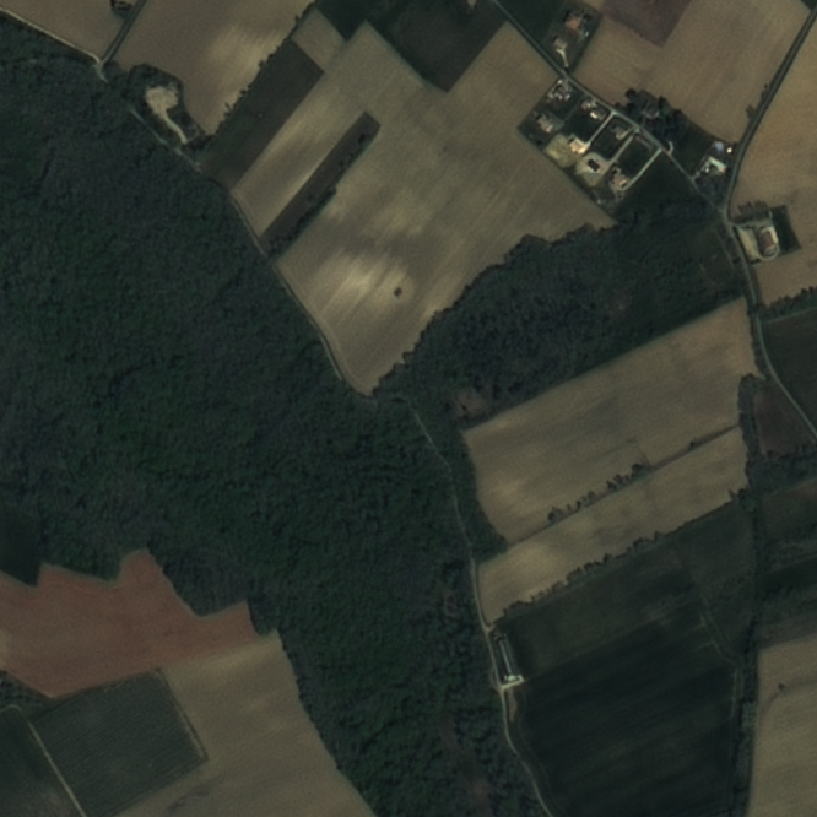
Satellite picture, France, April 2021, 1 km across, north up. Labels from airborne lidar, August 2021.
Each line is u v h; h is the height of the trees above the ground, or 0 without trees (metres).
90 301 25
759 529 11
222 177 0
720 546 0
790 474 9
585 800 0
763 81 0
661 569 0
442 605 10
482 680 18
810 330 0
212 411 23
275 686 0
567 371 13
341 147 0
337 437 22
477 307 16
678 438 0
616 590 0
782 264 0
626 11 0
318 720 21
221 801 0
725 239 11
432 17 0
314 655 23
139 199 22
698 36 0
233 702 0
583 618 0
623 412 0
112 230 23
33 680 0
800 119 0
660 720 0
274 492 25
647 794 0
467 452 13
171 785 0
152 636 0
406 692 24
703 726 0
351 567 23
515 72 0
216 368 19
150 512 18
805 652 0
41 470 18
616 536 0
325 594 28
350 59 0
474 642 24
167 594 0
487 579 0
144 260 21
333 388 16
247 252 25
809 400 0
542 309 22
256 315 26
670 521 0
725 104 0
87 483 20
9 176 7
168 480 25
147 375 24
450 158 0
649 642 0
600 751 0
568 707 0
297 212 0
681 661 0
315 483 24
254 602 15
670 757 0
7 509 6
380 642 25
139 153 23
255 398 18
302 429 20
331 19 0
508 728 14
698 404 0
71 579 0
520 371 14
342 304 0
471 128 0
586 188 0
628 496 0
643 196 0
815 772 0
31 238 22
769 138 0
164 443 25
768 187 0
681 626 0
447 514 20
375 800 15
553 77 0
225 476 22
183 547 21
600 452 0
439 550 25
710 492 0
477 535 15
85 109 24
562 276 18
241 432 27
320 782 0
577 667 0
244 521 31
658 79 0
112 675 0
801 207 0
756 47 0
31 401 19
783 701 0
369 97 0
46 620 0
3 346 17
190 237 25
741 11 0
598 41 0
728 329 0
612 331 14
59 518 21
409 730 30
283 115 0
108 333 24
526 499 0
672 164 6
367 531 25
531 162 0
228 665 0
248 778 0
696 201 7
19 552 6
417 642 21
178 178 23
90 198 24
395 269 0
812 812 0
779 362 0
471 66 0
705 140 0
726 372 0
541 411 0
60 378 19
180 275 24
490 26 0
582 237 16
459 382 18
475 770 0
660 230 8
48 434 22
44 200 22
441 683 27
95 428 23
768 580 0
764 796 0
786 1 0
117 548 24
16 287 19
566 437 0
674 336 0
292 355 21
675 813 0
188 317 22
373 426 25
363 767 25
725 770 0
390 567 27
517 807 13
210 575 18
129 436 27
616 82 0
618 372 0
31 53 21
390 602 24
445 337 17
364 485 25
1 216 23
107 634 0
